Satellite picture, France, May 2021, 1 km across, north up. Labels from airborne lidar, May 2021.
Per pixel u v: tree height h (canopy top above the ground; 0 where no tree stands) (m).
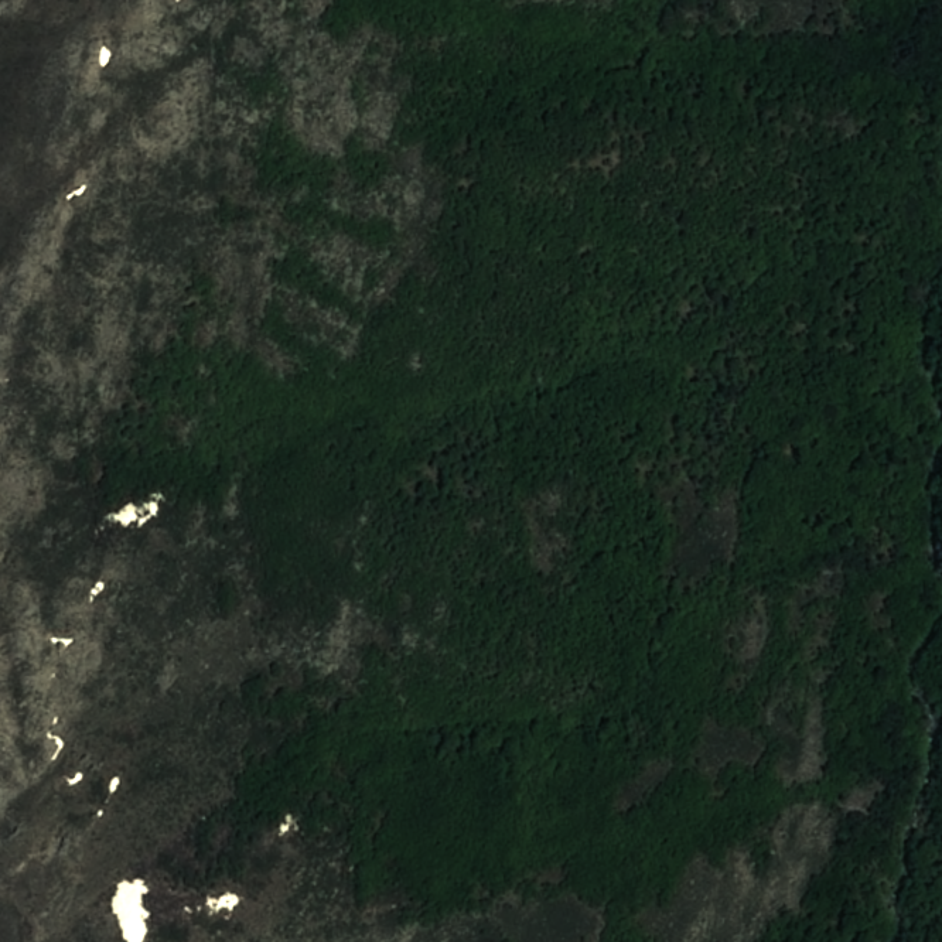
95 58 0
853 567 23
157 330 0
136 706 0
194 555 0
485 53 8
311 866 0
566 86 17
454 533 8
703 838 11
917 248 18
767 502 36
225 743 0
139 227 0
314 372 11
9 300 0
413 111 10
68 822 0
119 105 0
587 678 8
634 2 11
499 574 12
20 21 0
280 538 6
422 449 18
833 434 28
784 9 0
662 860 14
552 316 13
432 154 7
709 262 13
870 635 13
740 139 13
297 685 0
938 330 23
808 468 32
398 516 11
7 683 0
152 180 0
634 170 10
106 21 0
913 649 11
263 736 0
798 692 6
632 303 7
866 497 19
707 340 19
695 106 17
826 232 19
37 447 0
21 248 0
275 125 9
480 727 24
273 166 10
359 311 7
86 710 0
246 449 9
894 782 17
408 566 10
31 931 0
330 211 12
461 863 12
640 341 22
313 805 7
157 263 0
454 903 8
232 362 15
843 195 25
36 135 0
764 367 11
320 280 8
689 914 0
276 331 7
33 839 0
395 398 12
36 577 0
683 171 12
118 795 0
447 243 13
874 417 29
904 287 15
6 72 0
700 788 15
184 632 0
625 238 14
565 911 0
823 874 7
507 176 12
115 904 0
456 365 12
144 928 0
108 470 13
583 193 9
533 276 12
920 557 11
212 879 9
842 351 17
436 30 14
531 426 21
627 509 15
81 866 0
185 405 12
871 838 9
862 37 19
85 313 0
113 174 0
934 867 13
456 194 11
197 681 0
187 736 0
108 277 0
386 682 7
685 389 18
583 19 10
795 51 19
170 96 0
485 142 14
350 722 14
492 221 18
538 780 18
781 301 22
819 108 11
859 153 18
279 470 9
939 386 15
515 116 18
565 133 14
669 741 14
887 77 22
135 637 0
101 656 0
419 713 11
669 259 16
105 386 0
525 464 11
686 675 16
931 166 30
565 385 14
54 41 0
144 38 0
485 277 16
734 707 12
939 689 15
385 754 16
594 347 13
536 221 12
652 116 14
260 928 0
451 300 7
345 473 11
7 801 0
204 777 0
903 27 21
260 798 12
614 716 9
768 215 14
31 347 0
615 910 10
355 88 6
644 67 14
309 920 0
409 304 9
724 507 0
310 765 18
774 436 26
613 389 27
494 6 11
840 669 13
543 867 12
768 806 13
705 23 12
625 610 24
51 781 0
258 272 0
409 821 9
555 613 16
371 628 0
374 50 7
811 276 17
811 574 14
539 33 15
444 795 12
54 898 0
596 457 14
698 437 11
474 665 12
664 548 23
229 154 0
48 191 0
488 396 16
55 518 0
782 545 30
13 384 0
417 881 9
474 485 11
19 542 0
